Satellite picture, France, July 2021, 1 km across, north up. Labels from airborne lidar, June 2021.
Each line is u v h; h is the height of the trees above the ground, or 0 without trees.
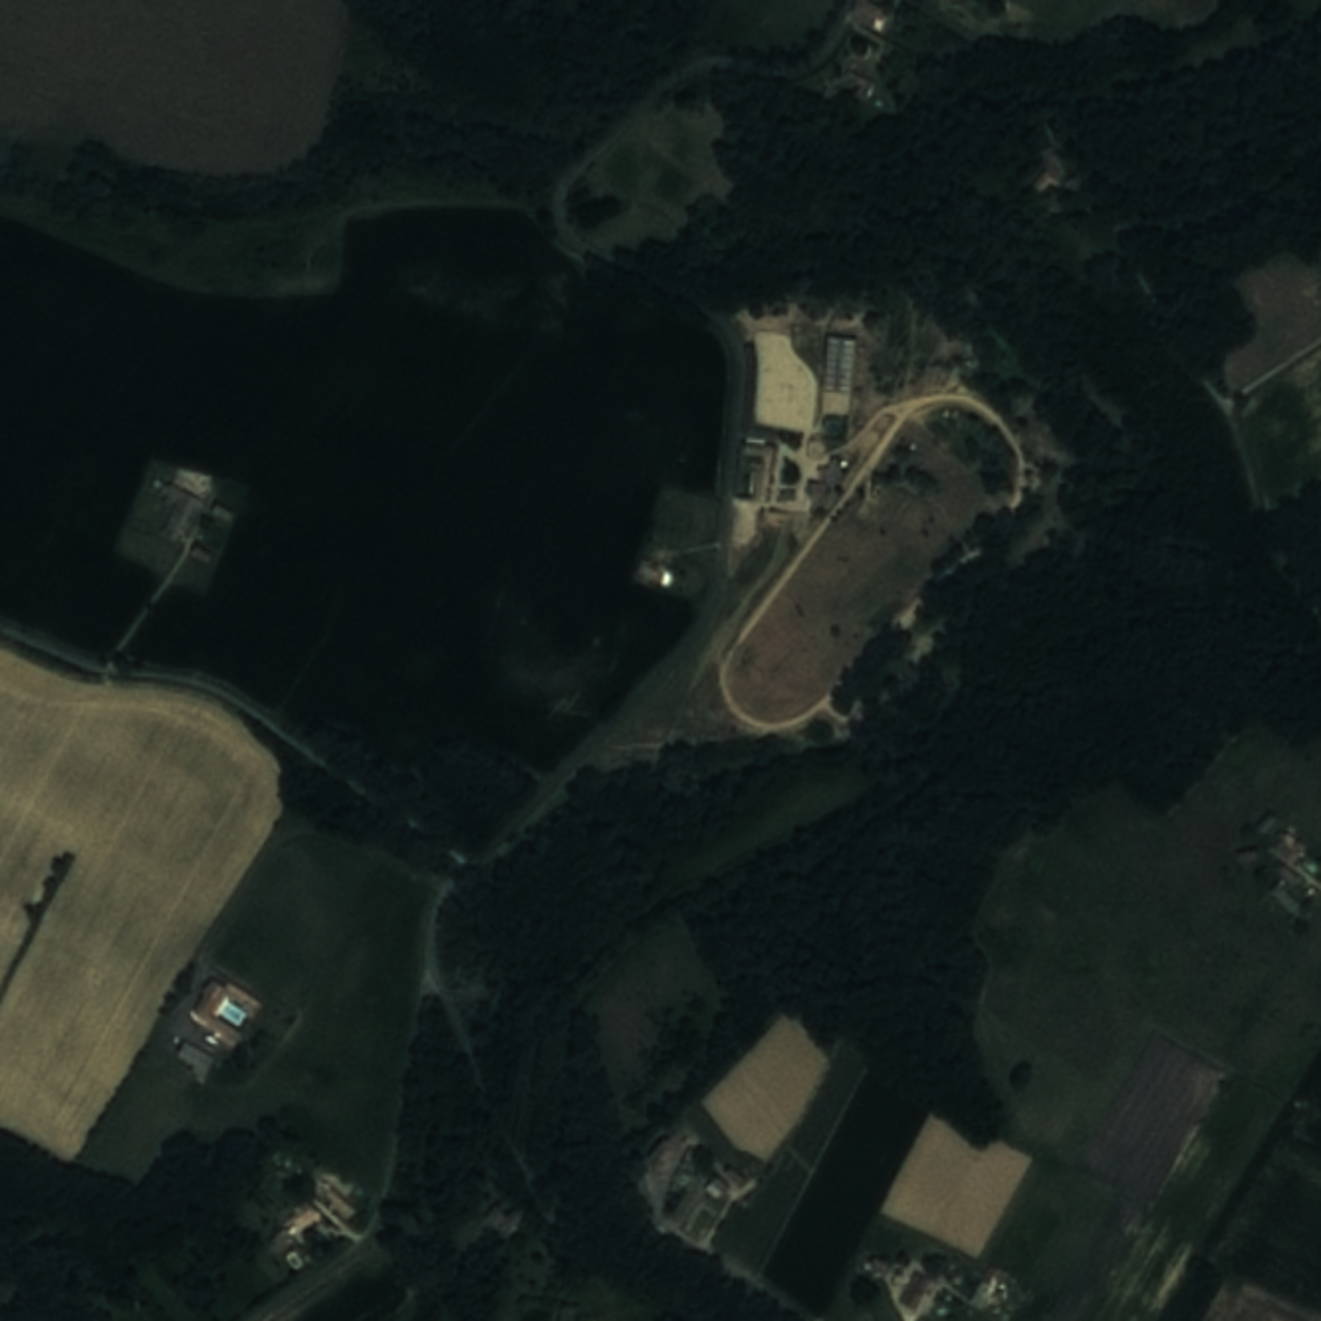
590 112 13
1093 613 25
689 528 0
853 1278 0
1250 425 0
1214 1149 0
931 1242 0
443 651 0
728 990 9
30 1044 0
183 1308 14
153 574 0
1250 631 20
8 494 0
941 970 9
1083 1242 0
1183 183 23
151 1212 16
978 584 17
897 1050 19
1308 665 23
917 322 0
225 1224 26
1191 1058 0
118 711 0
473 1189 26
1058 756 17
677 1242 16
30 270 0
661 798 21
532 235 0
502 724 0
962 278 19
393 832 29
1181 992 0
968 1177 0
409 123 10
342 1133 0
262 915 0
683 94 8
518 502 0
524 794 22
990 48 16
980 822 19
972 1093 16
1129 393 12
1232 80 16
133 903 0
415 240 0
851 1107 0
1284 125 24
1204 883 0
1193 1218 0
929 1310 0
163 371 0
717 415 0
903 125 13
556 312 0
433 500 0
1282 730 16
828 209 17
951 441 0
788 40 0
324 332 0
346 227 0
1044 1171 0
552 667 0
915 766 17
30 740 0
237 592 0
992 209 25
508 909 29
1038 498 7
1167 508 21
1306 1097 0
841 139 16
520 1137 26
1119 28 18
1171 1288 0
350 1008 0
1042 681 15
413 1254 21
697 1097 9
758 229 12
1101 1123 0
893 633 17
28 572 0
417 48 13
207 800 0
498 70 15
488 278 0
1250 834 9
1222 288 16
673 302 19
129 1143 0
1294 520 18
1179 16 0
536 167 13
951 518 0
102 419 0
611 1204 21
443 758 15
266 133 0
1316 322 0
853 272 18
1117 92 12
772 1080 0
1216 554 15
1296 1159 0
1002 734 20
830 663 0
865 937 20
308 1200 14
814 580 0
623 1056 0
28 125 0
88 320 0
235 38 0
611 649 0
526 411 0
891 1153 0
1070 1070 0
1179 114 20
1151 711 19
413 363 0
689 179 0
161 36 0
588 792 22
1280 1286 0
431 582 0
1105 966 0
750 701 0
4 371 0
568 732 0
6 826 0
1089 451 21
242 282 0
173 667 0
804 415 0
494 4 17
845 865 16
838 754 14
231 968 0
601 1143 25
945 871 15
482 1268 18
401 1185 10
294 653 0
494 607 0
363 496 0
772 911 10
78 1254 25
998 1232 0
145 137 0
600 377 0
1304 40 17
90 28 0
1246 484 9
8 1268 23
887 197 19
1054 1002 0
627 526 0
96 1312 29
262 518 0
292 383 0
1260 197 9
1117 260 15
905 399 0
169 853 0
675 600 0
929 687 25
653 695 0
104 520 0
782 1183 0
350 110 10
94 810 0
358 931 0
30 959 0
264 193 9
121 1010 0
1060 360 23
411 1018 0
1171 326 20
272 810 0
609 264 16
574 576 0
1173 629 26
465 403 0
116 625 0
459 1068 19
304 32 0
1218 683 17
